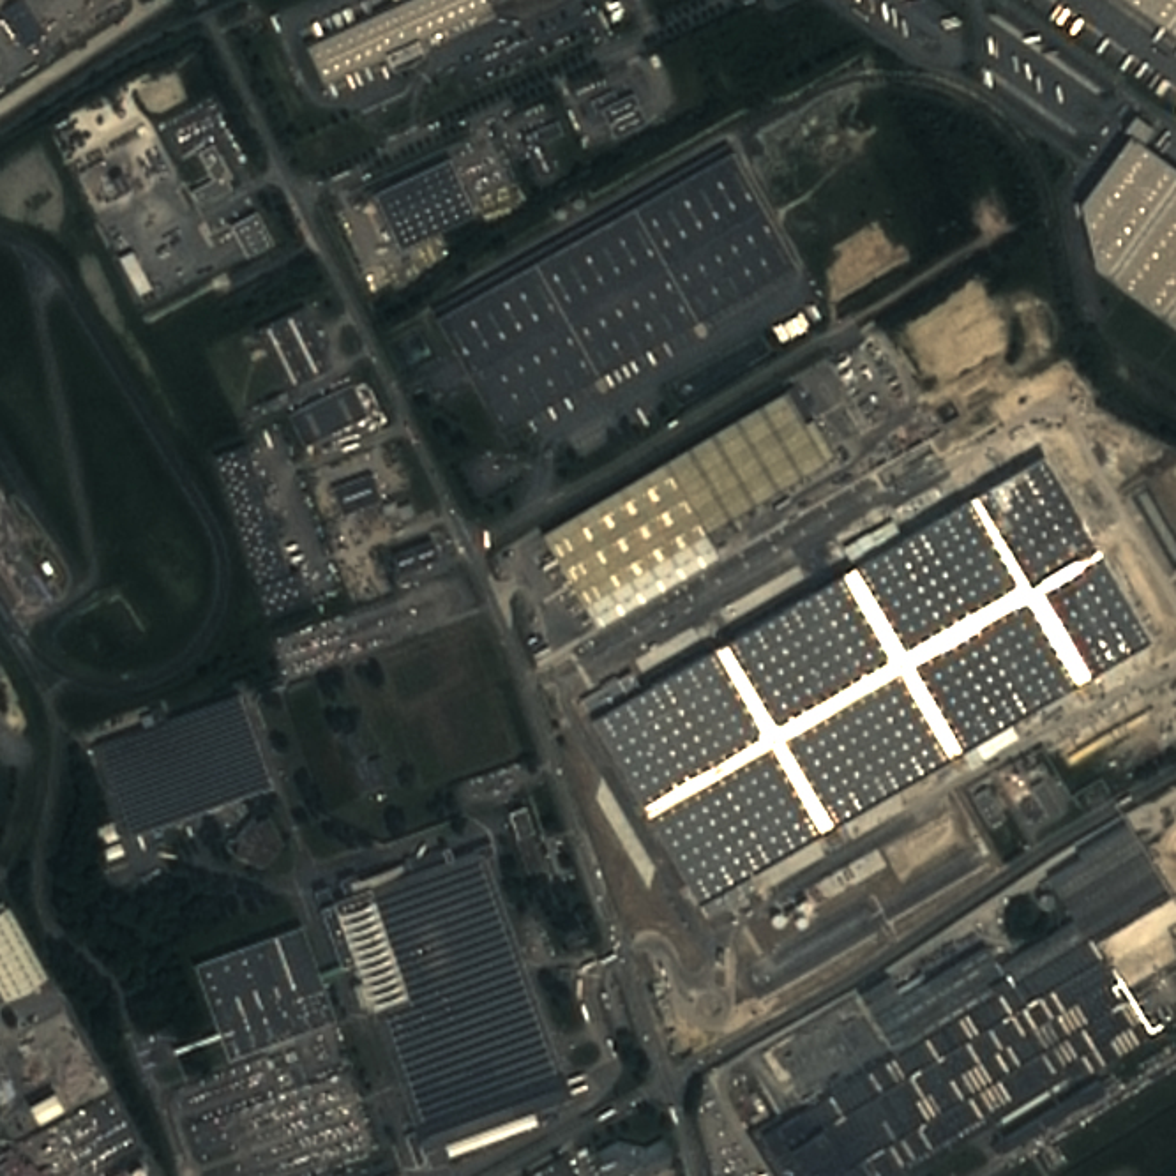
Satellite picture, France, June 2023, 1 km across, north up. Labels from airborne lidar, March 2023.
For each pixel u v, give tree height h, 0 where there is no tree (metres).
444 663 0
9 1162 0
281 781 0
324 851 0
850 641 0
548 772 0
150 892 11
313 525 0
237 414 0
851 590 0
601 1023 0
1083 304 0
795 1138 0
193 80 0
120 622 0
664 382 0
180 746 0
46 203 0
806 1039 0
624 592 0
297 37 0
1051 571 0
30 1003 0
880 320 8
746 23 0
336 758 0
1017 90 0
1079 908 0
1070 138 0
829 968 0
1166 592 0
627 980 0
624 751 0
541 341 0
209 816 7
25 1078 0
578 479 0
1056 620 0
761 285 0
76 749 11
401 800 0
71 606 0
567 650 0
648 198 0
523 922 0
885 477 0
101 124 0
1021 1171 0
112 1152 0
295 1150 0
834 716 0
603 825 0
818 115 0
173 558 0
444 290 0
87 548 0
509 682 0
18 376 0
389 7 0
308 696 0
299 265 10
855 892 0
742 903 0
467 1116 0
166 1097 0
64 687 0
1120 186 0
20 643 0
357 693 0
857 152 0
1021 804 0
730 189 0
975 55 0
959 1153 0
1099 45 0
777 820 0
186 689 0
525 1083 0
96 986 17
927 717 0
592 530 0
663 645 0
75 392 0
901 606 0
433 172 0
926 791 0
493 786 0
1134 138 0
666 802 0
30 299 0
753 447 0
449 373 0
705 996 0
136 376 0
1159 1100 0
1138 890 0
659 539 0
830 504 0
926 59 0
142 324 0
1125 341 0
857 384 0
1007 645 0
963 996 0
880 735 0
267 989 0
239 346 0
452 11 0
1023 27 0
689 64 0
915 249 0
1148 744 0
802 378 0
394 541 0
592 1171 0
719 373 0
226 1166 0
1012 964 0
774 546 0
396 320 8
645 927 0
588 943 0
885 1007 0
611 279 0
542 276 0
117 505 0
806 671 0
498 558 0
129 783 0
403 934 0
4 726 0
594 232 0
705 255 0
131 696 0
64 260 0
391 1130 10
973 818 0
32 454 0
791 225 0
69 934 16
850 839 0
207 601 0
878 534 0
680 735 0
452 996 0
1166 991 0
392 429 0
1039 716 0
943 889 0
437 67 0
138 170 0
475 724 0
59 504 0
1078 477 0
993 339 0
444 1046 0
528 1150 0
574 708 0
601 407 0
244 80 0
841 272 0
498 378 0
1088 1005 0
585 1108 0
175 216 0
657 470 0
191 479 0
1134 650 0
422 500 0
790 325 0
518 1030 0
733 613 0
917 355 0
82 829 11
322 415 0
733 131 0
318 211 0
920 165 0
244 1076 0
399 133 0
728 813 0
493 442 0
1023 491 0
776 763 0
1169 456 0
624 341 0
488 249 11
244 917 0
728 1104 0
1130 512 0
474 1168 0
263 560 0
